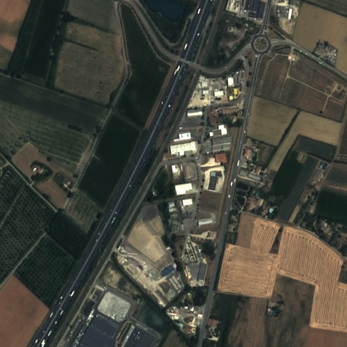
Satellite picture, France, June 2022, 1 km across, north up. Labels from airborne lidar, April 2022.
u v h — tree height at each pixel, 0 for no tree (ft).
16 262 31
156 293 0
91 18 0
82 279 0
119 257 0
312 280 0
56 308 0
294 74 0
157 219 0
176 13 0
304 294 0
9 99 0
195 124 0
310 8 0
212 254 27
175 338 0
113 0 0
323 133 0
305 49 0
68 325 31
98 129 50
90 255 0
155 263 0
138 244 0
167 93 0
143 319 0
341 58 0
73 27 0
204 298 33
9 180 34
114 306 0
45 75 0
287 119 0
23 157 0
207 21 0
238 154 0
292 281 0
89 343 0
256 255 0
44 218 29
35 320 0
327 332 0
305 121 0
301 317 0
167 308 21
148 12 36
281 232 25
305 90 0
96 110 0
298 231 0
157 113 0
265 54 0
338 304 0
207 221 0
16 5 0
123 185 0
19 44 34
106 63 0
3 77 0
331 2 0
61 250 30
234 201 26
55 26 0
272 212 21
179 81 0
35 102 0
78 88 0
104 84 0
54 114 0
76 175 31
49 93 0
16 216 33
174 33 34
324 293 0
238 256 0
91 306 0
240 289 0
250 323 0
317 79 0
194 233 0
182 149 0
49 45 0
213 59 25
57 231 86
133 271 0
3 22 0
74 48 0
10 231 35
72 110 0
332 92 0
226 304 0
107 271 0
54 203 0
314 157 31
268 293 0
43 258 28
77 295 28
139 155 0
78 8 0
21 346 0
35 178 62
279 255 0
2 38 0
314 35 0
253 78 0
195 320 0
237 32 0
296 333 0
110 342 0
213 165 0
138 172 0
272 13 0
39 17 0
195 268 0
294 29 0
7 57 0
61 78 0
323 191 18
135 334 0
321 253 0
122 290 0
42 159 0
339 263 0
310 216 18
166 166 0
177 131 0
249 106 0
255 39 0
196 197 0
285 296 0
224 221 0
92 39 0
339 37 0
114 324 0
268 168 0
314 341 0
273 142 0
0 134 0
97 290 0
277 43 0
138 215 0
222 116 35
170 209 0
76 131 91
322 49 0
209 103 0
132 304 0
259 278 0
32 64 0
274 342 0
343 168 0
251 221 0
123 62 0
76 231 101
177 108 28
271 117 0
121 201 0
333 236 41
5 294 0
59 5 0
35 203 29
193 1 20
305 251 0
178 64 0
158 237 0
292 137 0
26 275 28
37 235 34
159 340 19
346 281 0
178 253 0
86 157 0
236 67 19
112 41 0
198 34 0
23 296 0
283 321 0
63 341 0
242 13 0
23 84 0
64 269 22
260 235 0
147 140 0
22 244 27
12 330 0
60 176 0
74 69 0
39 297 32
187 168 0
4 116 0
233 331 0
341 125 0
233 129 0
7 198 31
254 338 0
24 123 0
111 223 0
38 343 0
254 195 25
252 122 0
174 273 0
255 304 0
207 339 35
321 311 0
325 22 0
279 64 0
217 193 0
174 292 0
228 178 0
